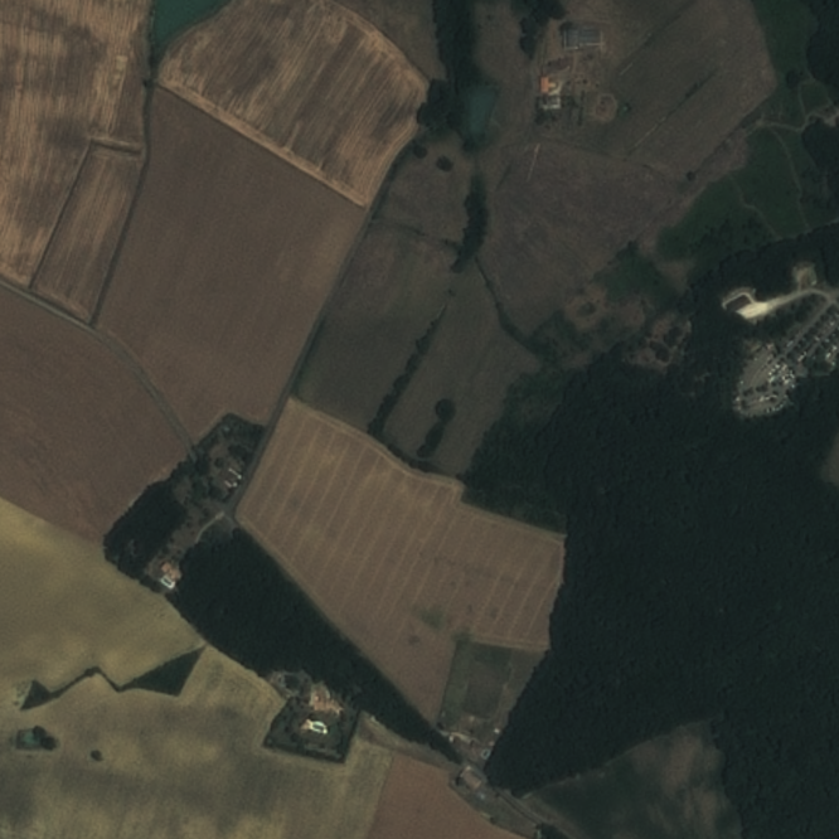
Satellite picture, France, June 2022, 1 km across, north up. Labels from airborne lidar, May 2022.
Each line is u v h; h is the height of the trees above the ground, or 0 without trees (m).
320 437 0
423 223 0
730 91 0
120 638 0
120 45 0
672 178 0
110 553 9
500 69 0
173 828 0
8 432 0
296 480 0
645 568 15
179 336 0
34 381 0
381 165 0
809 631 25
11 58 0
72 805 0
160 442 0
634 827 0
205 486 7
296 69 0
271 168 0
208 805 0
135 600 0
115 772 0
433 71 0
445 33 19
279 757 0
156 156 0
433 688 0
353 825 0
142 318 0
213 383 0
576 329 0
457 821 0
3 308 0
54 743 8
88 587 0
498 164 0
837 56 18
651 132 0
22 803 0
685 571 13
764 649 25
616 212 0
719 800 0
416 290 0
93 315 0
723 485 25
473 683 0
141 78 0
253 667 8
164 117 0
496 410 0
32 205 0
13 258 0
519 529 0
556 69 0
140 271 0
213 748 0
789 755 25
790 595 16
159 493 18
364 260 0
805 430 25
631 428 22
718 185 0
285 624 16
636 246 10
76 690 0
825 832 25
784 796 24
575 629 20
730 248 8
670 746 0
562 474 14
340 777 0
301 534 0
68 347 0
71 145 0
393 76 0
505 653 0
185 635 0
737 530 16
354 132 0
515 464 6
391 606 0
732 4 0
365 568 0
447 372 0
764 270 12
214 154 0
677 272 0
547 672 17
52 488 0
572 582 16
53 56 0
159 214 0
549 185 0
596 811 0
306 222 0
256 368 0
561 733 22
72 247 0
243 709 0
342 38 0
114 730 0
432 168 0
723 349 13
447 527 0
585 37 0
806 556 20
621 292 0
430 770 0
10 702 0
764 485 23
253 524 0
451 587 0
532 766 18
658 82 0
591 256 0
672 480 24
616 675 20
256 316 0
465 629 0
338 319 0
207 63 0
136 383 0
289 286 0
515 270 0
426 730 13
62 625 0
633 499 17
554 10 19
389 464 0
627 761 0
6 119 0
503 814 0
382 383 0
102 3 0
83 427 0
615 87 0
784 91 0
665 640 20
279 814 0
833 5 17
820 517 18
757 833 22
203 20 0
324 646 19
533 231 0
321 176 0
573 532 14
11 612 0
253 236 0
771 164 0
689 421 18
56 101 0
